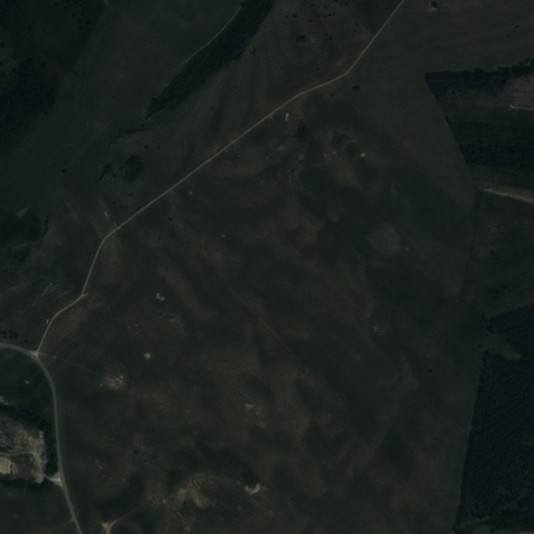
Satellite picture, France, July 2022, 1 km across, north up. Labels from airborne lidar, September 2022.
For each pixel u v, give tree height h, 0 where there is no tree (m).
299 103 0
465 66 0
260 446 0
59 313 0
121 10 0
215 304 0
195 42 0
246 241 0
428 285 0
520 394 19
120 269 0
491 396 19
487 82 0
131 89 0
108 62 0
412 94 0
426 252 0
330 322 0
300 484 0
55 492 0
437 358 0
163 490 0
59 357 0
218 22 0
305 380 0
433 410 0
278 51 0
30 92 19
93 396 0
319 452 0
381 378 0
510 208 0
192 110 0
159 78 0
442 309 0
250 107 0
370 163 0
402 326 0
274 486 0
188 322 0
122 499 0
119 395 0
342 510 0
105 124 0
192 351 0
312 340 0
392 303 0
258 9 7
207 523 0
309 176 0
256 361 0
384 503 0
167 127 0
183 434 0
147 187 0
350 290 0
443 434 0
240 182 0
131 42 0
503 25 0
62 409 0
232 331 0
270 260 0
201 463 0
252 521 0
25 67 18
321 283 0
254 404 0
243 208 0
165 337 0
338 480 0
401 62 0
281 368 0
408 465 0
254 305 0
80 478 0
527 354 20
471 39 0
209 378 0
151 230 0
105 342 0
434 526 0
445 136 0
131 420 0
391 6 0
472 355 0
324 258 0
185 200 0
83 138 0
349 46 0
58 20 0
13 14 6
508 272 0
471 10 0
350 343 0
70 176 0
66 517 0
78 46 0
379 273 0
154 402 0
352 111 0
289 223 0
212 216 0
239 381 0
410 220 0
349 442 0
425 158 0
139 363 0
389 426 0
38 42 0
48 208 0
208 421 0
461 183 0
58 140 0
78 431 0
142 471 0
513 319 22
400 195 0
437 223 0
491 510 19
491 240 0
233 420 0
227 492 0
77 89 0
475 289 0
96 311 0
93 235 0
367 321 0
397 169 0
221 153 0
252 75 0
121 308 0
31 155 0
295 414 0
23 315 0
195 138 0
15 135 0
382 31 0
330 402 0
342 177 0
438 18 0
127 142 0
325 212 0
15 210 0
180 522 0
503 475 22
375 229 0
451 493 0
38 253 0
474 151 14
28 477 0
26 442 0
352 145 0
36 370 0
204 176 0
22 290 0
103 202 0
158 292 0
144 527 0
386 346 0
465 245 0
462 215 0
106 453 0
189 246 0
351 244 0
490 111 0
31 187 0
